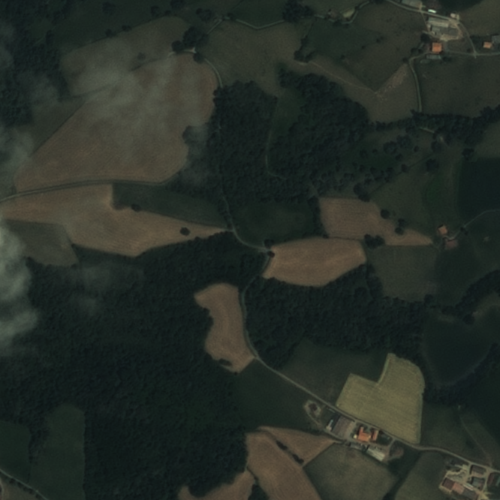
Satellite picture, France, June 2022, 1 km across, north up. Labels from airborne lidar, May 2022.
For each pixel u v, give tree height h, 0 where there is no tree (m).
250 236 0
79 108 0
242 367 0
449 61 6
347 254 0
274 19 0
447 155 0
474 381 21
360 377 0
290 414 0
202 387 16
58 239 0
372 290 13
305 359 0
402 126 7
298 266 0
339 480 0
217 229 0
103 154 0
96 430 16
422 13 0
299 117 9
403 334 28
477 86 0
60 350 16
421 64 0
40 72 12
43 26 0
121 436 13
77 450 0
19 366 20
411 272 0
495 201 0
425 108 0
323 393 0
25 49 9
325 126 16
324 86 26
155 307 15
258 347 16
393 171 16
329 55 0
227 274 11
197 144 11
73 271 7
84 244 0
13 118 10
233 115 21
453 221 0
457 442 0
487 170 0
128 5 0
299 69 0
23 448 0
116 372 5
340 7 0
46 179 0
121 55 0
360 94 0
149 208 0
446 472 0
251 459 0
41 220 0
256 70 0
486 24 0
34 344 16
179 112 0
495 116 37
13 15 16
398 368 0
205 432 9
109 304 14
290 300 15
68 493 0
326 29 0
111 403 20
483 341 0
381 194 0
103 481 9
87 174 0
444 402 23
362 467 0
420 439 0
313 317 7
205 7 0
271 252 9
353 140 19
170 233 0
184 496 0
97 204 0
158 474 14
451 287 0
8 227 0
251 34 0
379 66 0
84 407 11
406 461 0
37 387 11
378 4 7
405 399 0
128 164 0
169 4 0
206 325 15
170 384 11
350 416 0
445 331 0
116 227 0
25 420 11
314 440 0
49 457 0
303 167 22
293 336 24
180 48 17
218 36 0
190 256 10
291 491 0
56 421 0
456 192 0
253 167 19
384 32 0
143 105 0
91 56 0
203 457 20
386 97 0
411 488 0
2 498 0
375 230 0
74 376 25
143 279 15
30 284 14
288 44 0
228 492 0
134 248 0
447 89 0
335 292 20
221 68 0
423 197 0
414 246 0
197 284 17
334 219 0
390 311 13
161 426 13
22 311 14
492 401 0
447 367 0
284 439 0
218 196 12
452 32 0
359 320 13
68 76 0
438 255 0
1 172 0
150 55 0
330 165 10
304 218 0
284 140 15
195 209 0
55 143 0
